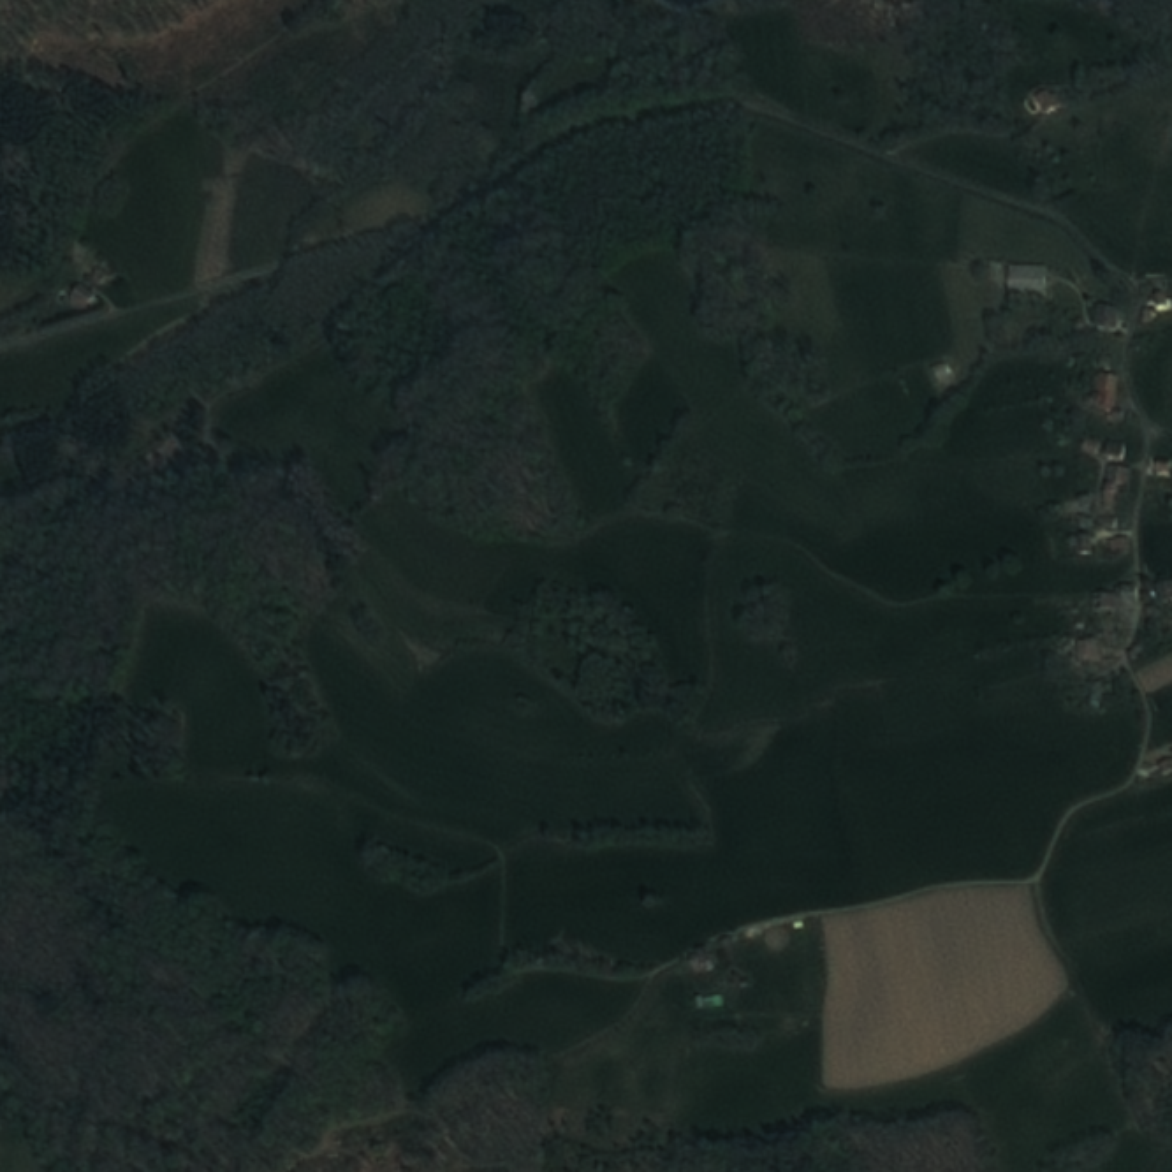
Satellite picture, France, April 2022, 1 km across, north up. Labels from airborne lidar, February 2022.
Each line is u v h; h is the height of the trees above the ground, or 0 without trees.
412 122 22
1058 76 0
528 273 31
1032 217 0
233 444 17
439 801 0
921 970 0
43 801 20
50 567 24
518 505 26
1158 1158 0
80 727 21
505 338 32
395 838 0
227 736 0
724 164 20
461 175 17
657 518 0
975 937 0
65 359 0
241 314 21
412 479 26
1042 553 0
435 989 0
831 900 0
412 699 0
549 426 0
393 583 0
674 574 0
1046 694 0
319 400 0
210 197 9
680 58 25
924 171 0
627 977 15
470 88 17
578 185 15
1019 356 10
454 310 27
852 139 0
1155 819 0
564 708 0
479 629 0
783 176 0
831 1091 0
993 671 0
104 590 30
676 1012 0
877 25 0
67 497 32
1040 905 0
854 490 0
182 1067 30
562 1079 0
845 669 0
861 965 0
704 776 0
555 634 12
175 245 0
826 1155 32
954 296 0
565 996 0
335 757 0
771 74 0
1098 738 0
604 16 28
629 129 14
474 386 29
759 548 0
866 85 0
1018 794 0
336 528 23
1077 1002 0
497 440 26
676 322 0
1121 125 0
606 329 17
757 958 0
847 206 0
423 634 0
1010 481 0
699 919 0
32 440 24
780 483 0
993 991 0
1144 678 0
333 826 0
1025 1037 0
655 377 0
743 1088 0
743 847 0
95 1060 32
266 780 10
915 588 0
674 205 19
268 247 0
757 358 20
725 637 0
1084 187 0
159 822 0
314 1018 22
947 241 0
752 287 35
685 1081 0
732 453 0
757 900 0
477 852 0
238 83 0
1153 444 0
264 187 0
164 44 0
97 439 22
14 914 29
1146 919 0
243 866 0
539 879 0
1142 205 0
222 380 9
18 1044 31
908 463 0
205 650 0
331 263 21
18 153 17
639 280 0
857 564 0
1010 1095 0
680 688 8
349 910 0
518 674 0
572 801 0
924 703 0
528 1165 33
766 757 0
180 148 0
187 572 27
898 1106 0
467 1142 34
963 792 0
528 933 0
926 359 0
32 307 9
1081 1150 22
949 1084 0
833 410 0
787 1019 0
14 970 29
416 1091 0
